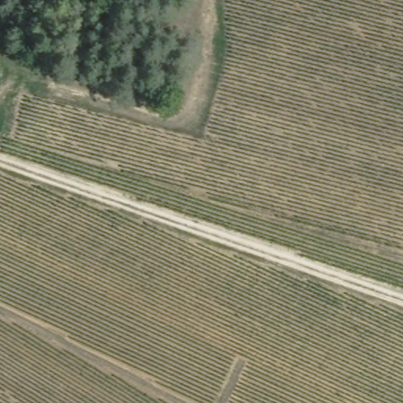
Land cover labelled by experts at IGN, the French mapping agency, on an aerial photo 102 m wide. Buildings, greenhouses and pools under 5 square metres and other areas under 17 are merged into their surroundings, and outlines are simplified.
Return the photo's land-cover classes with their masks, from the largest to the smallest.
<instances>
[{"label":"vineyard","instance_id":"1","mask_svg":"<svg viewBox=\"0 0 403 403\"><path fill-rule=\"evenodd\" d=\"M219 5L224 6V24L230 28V33L225 38L227 44L224 74L217 85L203 137L194 139L192 135L170 132L173 126L165 123L170 116L156 112L139 105L124 107L116 104L113 96L105 98L99 93H90L87 88L55 83L52 80L47 85V98L43 99L36 98L35 94H31L25 87L19 88V93L14 98L9 139L2 153L17 157L20 161L43 165L63 175L77 176L88 183L120 190L123 194H128L132 200L150 203L157 208L170 209L181 216L219 225L225 230L271 242L275 246L287 247L307 260L362 275L376 282L389 283L392 287L403 290V0H216V8ZM0 403H403V307L0 167Z\"/></svg>","mask_w":403,"mask_h":403},{"label":"coniferous trees","instance_id":"2","mask_svg":"<svg viewBox=\"0 0 403 403\"><path fill-rule=\"evenodd\" d=\"M187 0H0V16H8L11 13L19 20L16 28L8 33V47L0 54V55L16 61L17 65L25 68L39 69L43 76L52 80L55 83L87 88L90 93H99L105 98L113 96L116 104L124 107L139 105L156 112L159 107H170L172 91L168 87L172 83H178L181 87L184 76L178 72V58L181 57L184 44L179 39L178 28L168 27V24L181 20Z\"/></svg>","mask_w":403,"mask_h":403},{"label":"herbaceous vegetation","instance_id":"3","mask_svg":"<svg viewBox=\"0 0 403 403\"><path fill-rule=\"evenodd\" d=\"M224 6L219 5L216 8V0H187L181 20L168 24V27L178 28L179 39L184 44L181 57L178 58V72L184 76L181 87L184 91L183 107L176 115L170 116L165 123L173 126L170 132L192 135L194 139L203 137L217 85L224 74L227 44L225 38L230 33V28L224 24ZM19 20L11 13L8 16H0V54L8 47V33L16 28ZM52 80L43 76L39 69L25 68L17 65L16 61L0 55V153H2L9 139L14 98L19 93V88L25 87L31 94H35L36 98L43 99L47 98V85Z\"/></svg>","mask_w":403,"mask_h":403},{"label":"pervious surface","instance_id":"4","mask_svg":"<svg viewBox=\"0 0 403 403\"><path fill-rule=\"evenodd\" d=\"M0 167L403 307V290L392 287L389 283L376 282L362 275L307 260L287 247L275 246L271 242L225 230L219 225L181 216L170 209L157 208L150 203L132 200L128 194H123L120 190L88 183L77 176L63 175L43 165L20 161L17 157L2 153H0Z\"/></svg>","mask_w":403,"mask_h":403},{"label":"deciduous trees","instance_id":"5","mask_svg":"<svg viewBox=\"0 0 403 403\"><path fill-rule=\"evenodd\" d=\"M172 91L170 107H159L156 112L170 116L176 115L183 107L184 91L178 83H172L168 87Z\"/></svg>","mask_w":403,"mask_h":403}]
</instances>
